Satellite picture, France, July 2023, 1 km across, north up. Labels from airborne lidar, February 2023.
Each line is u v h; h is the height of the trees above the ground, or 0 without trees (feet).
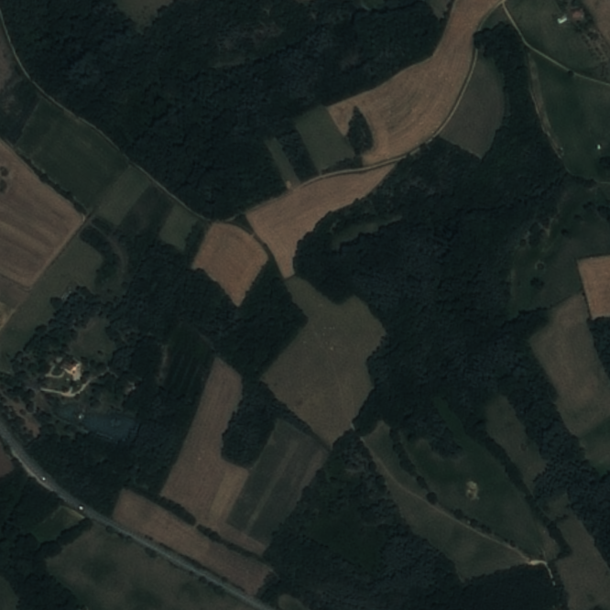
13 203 0
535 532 0
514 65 57
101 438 40
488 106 0
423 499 0
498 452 62
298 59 78
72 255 0
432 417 54
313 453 0
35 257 0
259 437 50
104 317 39
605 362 31
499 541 0
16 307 0
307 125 0
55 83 57
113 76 52
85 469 52
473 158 37
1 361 0
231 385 0
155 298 33
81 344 0
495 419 0
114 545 0
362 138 25
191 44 46
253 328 37
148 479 45
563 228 0
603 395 0
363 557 0
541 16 0
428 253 66
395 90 0
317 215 0
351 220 23
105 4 94
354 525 0
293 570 29
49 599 86
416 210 72
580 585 0
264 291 20
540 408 77
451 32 0
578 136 0
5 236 0
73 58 43
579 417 0
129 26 42
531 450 0
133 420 0
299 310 59
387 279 69
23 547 64
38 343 53
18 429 24
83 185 0
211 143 49
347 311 0
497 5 0
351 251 85
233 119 70
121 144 32
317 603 32
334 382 0
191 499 0
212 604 0
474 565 0
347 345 0
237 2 50
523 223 61
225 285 0
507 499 0
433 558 49
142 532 0
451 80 0
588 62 0
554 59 0
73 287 0
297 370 0
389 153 0
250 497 0
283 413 48
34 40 20
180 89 69
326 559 43
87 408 0
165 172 30
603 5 0
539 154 50
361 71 45
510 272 44
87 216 0
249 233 0
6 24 25
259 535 0
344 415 0
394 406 85
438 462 0
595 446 0
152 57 51
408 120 0
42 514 36
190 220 0
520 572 31
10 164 0
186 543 0
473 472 0
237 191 37
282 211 0
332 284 49
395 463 0
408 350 47
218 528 0
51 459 48
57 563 0
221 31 37
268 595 29
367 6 0
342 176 0
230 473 0
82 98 56
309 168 28
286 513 0
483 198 75
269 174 33
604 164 37
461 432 0
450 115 0
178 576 0
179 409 47
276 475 0
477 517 0
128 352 56
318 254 75
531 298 0
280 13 48
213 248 0
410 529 22
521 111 38
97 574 0
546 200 52
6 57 0
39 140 0
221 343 56
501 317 58
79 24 86
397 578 53
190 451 0
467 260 70
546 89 0
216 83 52
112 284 0
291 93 52
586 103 0
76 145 0
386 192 49
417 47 75
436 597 42
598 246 0
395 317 44
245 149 71
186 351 0
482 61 0
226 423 0
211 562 0
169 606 0
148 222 0
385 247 66
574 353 0
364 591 32
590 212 61
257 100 76
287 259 0
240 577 0
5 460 0
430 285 65
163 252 31
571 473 31
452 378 73
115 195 0
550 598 43
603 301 0
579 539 0
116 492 40
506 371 52
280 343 39
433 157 29
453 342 82
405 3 43
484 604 50
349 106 0
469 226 84
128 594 0
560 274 0
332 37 83
